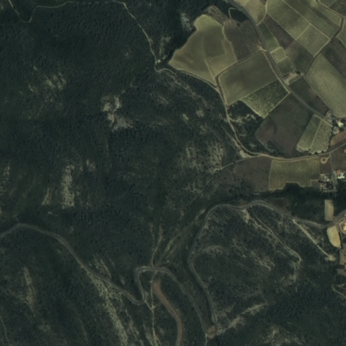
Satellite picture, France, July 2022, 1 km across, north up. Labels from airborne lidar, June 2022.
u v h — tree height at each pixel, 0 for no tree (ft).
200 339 26
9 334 26
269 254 28
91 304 24
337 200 41
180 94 31
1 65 26
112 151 29
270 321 30
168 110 28
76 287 35
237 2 0
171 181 26
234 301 26
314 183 0
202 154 27
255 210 22
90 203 19
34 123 27
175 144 27
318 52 0
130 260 0
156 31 25
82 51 31
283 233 22
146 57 24
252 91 0
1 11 25
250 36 0
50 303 20
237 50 0
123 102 22
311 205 25
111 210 25
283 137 0
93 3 32
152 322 0
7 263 23
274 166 0
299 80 0
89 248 19
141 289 0
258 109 0
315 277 27
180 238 41
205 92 28
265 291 25
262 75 0
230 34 0
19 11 23
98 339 24
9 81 0
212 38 0
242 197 34
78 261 0
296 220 0
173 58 0
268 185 0
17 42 28
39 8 24
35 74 27
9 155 21
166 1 28
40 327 0
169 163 22
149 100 30
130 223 22
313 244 20
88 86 24
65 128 24
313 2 0
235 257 20
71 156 21
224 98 0
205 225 0
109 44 32
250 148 19
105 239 22
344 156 0
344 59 0
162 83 18
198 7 32
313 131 0
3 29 29
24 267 0
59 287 28
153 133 19
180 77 20
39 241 26
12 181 24
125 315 28
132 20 30
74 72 20
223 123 29
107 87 29
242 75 0
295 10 0
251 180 0
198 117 28
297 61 0
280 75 0
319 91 0
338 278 26
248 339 0
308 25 0
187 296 41
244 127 22
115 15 34
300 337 0
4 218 24
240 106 29
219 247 0
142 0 31
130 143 27
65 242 0
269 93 0
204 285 0
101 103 27
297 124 0
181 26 22
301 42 0
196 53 0
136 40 24
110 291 0
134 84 28
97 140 27
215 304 0
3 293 20
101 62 26
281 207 0
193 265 0
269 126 0
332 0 0
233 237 17
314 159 0
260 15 0
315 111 0
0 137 23
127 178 0
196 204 31
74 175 20
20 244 17
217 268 0
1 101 0
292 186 27
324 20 0
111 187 32
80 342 0
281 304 45
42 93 22
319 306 21
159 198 19
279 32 0
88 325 25
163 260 26
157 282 0
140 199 28
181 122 22
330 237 0
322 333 27
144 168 23
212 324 22
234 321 0
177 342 0
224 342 26
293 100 0
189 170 23
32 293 0
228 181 0
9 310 19
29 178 0
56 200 0
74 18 28
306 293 26
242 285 19
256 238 20
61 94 27
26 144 30
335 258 0
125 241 25
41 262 21
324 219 22
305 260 22
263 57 0
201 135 20
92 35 29
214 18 0
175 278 0
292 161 0
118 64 29
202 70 0
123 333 0
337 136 0
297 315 30
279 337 0
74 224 26
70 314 18
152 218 23
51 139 18
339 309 24
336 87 0
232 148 24
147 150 0
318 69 0
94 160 0
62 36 31
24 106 25
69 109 27
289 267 34
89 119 36
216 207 0
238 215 26
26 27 27
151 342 0
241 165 0
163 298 0
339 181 34
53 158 31
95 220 26
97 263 0
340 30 0
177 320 0
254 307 0
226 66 0
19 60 32
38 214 29
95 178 38
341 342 19
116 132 30
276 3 0
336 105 0
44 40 25
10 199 19
